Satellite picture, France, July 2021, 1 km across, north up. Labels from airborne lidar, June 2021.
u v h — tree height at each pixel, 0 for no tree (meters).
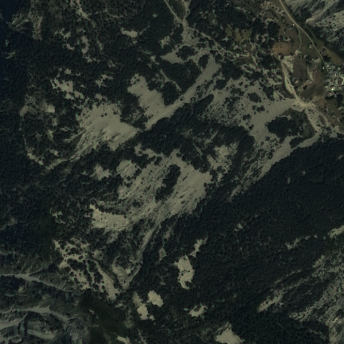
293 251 14
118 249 11
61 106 15
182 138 10
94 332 0
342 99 15
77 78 7
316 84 0
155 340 8
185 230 13
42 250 7
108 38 8
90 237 11
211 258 16
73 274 7
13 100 9
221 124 7
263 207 10
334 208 15
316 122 0
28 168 9
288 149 0
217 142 7
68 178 11
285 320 13
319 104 0
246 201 13
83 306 0
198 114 6
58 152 6
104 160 12
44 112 8
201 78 0
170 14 7
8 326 0
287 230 10
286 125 9
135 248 7
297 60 0
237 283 13
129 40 10
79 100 7
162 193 8
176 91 8
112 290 0
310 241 11
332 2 0
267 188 12
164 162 0
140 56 6
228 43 9
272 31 9
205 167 8
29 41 12
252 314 15
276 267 11
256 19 8
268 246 11
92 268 8
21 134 7
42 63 12
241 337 18
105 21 10
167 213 0
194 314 0
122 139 0
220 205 12
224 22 9
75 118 10
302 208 9
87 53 6
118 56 12
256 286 14
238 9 0
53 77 11
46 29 11
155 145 10
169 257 13
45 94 7
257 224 15
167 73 8
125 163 0
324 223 12
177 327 7
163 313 8
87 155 8
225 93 0
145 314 0
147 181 0
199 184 0
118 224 0
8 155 13
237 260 10
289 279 6
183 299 7
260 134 0
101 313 0
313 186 12
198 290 9
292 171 11
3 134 6
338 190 12
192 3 12
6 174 12
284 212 14
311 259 10
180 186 0
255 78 11
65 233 7
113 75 10
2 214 7
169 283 9
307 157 12
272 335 17
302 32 0
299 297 6
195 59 0
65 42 9
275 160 0
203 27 14
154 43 11
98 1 14
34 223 7
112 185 12
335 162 13
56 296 6
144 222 9
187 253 8
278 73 6
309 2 0
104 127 0
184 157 8
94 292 7
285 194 14
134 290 10
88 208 8
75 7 7
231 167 7
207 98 10
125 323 0
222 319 12
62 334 0
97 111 0
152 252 11
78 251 7
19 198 6
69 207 8
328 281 18
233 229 13
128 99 7
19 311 0
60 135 10
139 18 13
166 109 0
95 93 8
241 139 9
